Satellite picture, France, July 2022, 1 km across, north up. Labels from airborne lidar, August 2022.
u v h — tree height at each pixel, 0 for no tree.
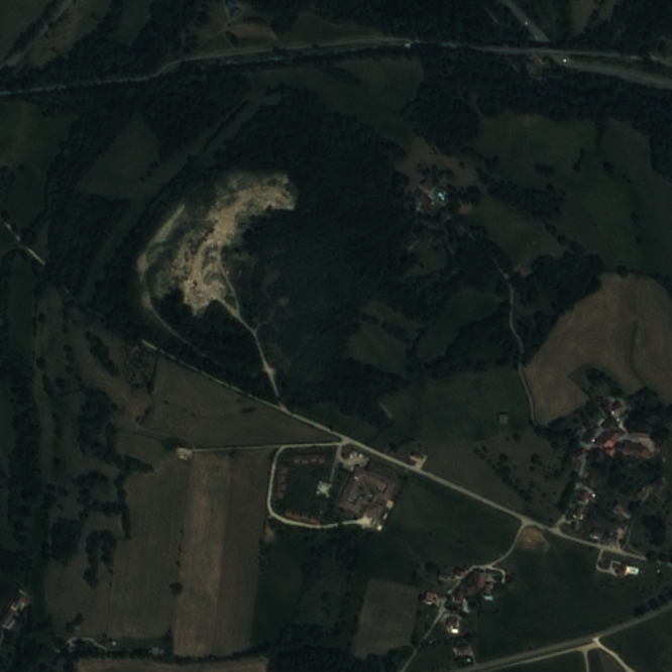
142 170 0
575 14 0
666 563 9
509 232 0
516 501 0
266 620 0
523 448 0
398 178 16
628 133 0
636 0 18
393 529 0
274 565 0
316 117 15
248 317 6
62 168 16
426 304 17
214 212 0
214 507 0
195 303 0
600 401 6
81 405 0
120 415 0
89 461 0
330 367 9
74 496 0
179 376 0
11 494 7
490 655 0
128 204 10
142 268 0
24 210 0
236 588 0
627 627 0
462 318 0
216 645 0
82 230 13
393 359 0
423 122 12
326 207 13
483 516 0
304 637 13
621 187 0
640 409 7
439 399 0
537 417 0
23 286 0
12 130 0
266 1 21
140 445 0
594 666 0
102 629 0
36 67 0
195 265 0
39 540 0
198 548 0
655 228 0
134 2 0
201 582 0
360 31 0
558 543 0
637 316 0
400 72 0
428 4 20
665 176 16
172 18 13
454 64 6
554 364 0
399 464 0
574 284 9
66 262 16
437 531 0
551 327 7
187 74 17
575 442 11
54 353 0
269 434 0
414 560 0
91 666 0
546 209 13
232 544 0
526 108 17
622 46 18
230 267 0
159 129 13
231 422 0
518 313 0
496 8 20
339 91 0
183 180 7
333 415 0
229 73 14
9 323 13
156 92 8
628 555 0
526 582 0
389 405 0
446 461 0
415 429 0
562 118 11
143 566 0
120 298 8
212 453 0
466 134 17
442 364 16
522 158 0
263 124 12
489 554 0
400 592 0
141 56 27
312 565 6
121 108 17
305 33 0
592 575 0
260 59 9
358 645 0
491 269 17
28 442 16
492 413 0
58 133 0
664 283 8
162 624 0
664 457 0
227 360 8
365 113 0
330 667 21
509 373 0
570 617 0
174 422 0
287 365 0
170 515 0
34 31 20
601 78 14
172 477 0
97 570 8
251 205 0
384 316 0
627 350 0
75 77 19
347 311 6
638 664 0
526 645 0
